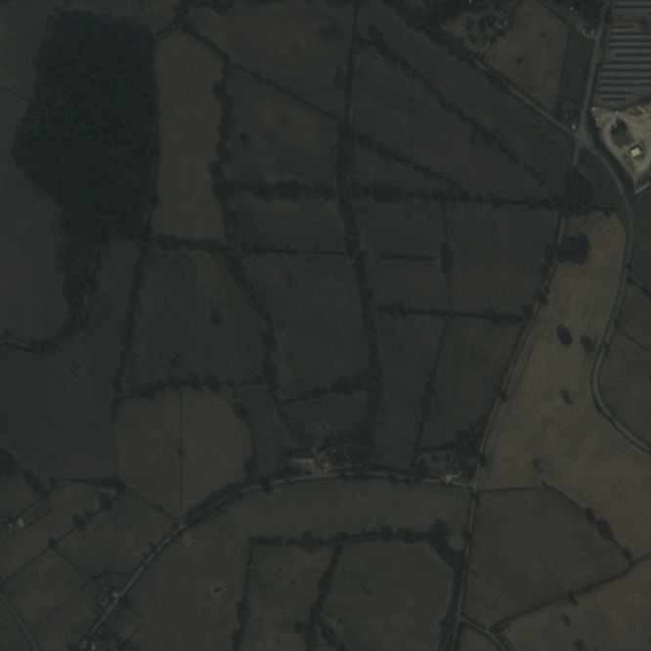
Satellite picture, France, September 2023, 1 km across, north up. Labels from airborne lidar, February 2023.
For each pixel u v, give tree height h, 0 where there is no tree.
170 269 0
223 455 0
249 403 0
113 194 24
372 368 15
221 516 0
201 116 0
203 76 0
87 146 20
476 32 0
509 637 0
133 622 0
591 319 0
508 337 0
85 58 19
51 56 22
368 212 0
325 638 17
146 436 0
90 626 0
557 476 0
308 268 0
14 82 0
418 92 0
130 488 0
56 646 0
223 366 0
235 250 12
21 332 0
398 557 0
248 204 0
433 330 0
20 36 0
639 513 0
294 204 0
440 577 0
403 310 15
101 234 23
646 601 0
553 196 13
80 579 0
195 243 9
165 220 0
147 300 0
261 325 0
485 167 0
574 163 0
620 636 0
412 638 0
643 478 0
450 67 0
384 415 0
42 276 0
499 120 0
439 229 0
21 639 0
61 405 0
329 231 0
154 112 21
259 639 0
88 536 0
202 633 0
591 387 0
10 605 0
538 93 0
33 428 0
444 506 0
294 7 0
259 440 0
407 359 0
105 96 26
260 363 0
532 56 0
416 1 0
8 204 0
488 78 11
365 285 9
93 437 0
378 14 0
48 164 23
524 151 0
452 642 10
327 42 0
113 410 7
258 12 0
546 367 0
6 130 0
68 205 23
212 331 0
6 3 0
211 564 0
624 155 0
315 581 0
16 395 0
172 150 0
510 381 0
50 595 0
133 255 0
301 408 0
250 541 9
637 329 0
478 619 0
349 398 0
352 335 0
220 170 15
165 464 0
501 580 0
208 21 0
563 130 0
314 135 0
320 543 10
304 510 0
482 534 0
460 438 12
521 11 0
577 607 0
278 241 0
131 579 0
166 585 0
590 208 13
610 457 0
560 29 0
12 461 19
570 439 0
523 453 0
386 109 0
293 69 0
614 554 0
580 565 0
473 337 0
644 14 0
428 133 0
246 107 0
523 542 0
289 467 7
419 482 10
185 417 0
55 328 0
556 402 0
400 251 0
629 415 0
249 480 10
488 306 0
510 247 0
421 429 11
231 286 0
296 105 0
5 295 0
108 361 0
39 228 0
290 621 0
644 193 0
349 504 0
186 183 0
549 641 0
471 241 0
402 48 0
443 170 0
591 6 6
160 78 0
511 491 0
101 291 0
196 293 0
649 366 0
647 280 0
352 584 0
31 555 0
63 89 21
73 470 0
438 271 0
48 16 0
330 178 0
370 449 14
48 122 10
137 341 0
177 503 0
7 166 0
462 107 0
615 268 0
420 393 0
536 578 0
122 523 0
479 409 0
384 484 0
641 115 0
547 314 0
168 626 0
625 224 0
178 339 0
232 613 0
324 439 0
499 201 12
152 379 0
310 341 0
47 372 0
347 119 7
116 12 0
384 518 0
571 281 0
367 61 0
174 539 11
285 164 0
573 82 0
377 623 0
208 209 0
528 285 0
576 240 6
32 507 0
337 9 0
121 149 20
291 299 0
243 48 0
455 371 0
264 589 0
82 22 23
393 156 10
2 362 0
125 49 26
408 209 0
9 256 0
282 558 0
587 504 0
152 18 0
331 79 0
